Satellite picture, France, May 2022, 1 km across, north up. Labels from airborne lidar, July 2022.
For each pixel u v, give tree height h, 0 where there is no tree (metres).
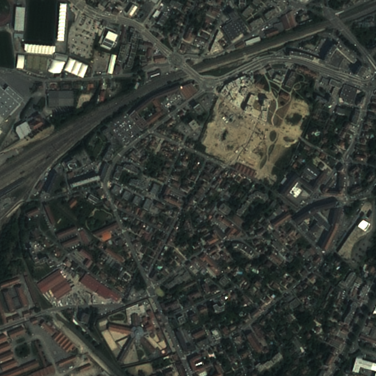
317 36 12
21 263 9
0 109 0
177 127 0
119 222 0
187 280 0
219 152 0
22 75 0
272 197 14
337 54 0
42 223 0
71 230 0
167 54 0
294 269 17
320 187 0
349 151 0
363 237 0
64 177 0
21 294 0
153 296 0
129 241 0
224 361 9
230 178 7
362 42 9
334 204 0
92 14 0
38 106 10
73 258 0
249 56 0
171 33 9
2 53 0
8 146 0
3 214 0
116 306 0
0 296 0
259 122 0
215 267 0
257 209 15
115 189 0
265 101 0
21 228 8
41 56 0
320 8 7
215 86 0
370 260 0
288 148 0
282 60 0
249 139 0
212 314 8
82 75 0
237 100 0
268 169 0
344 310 15
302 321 19
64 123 13
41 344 0
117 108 0
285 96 0
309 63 0
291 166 7
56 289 0
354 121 0
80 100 0
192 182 8
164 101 0
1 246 14
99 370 0
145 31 0
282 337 10
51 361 0
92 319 28
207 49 0
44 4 0
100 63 0
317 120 6
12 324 0
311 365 15
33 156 0
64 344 0
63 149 0
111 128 0
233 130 0
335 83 0
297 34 0
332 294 14
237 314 9
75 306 0
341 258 15
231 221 0
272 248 11
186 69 0
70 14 0
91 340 15
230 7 7
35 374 0
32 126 0
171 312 8
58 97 0
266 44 0
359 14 0
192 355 0
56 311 0
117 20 0
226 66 0
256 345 0
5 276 11
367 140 6
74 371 0
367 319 0
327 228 0
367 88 0
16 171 0
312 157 14
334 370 0
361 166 13
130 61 0
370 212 0
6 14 0
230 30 0
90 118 0
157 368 7
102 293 0
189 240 7
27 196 0
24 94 0
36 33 0
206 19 0
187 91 0
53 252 6
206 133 0
